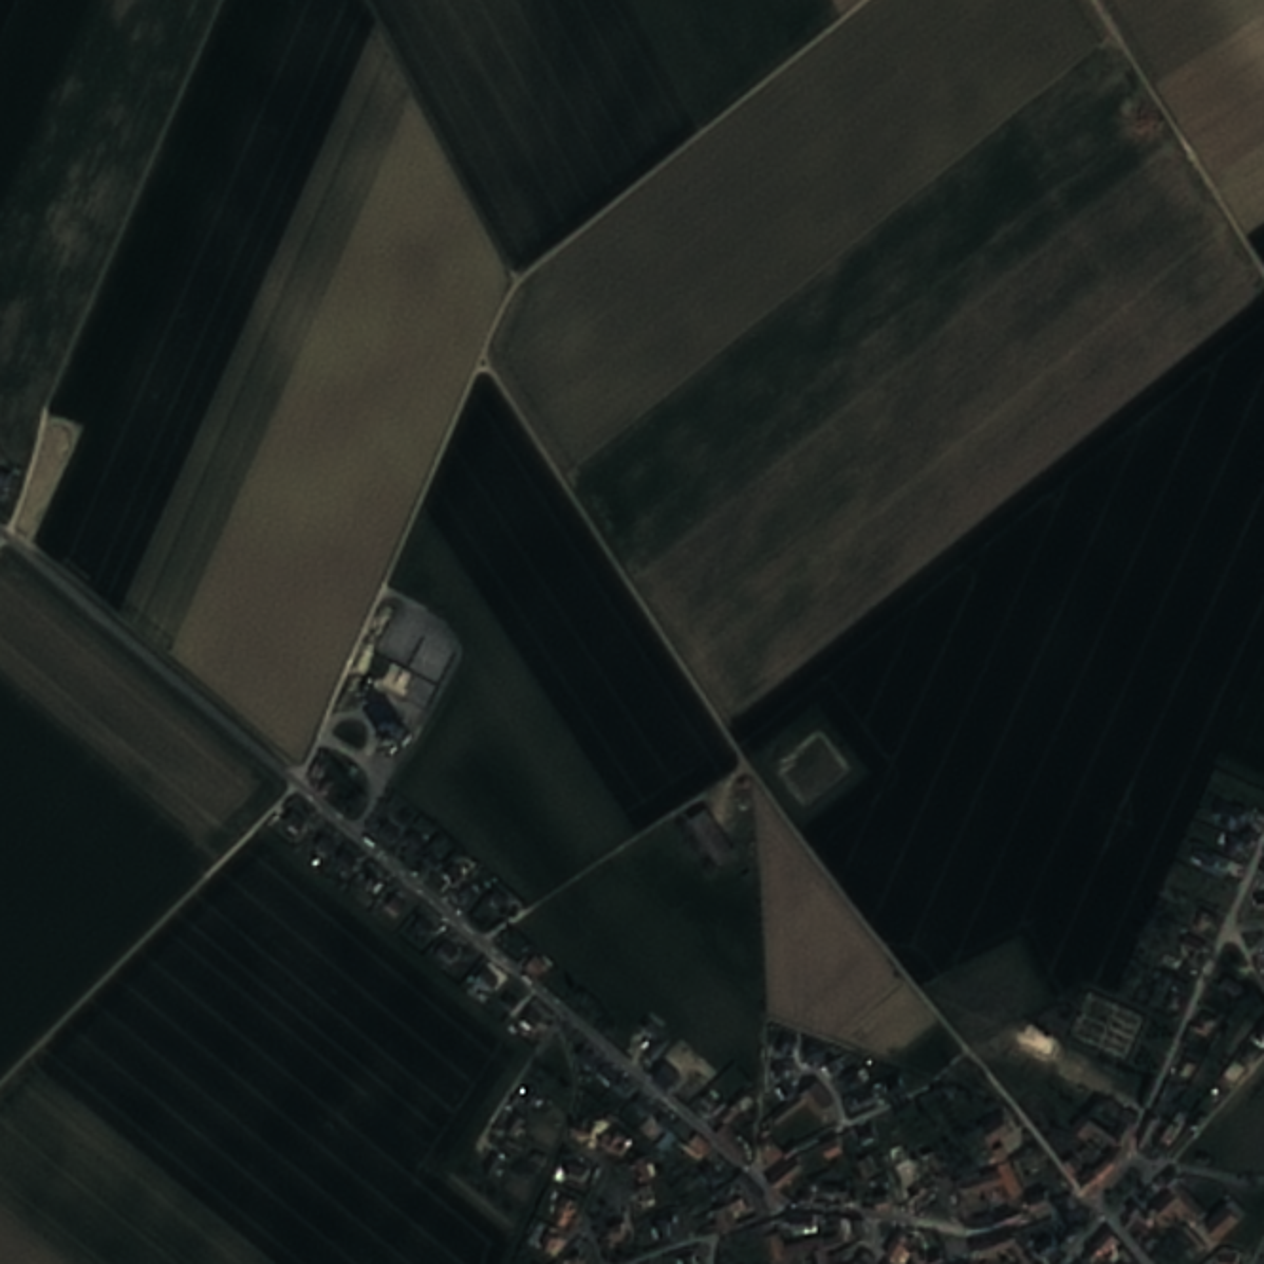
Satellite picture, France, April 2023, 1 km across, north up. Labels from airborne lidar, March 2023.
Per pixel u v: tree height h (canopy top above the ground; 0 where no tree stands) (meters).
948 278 0
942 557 0
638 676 0
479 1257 0
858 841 0
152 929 0
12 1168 0
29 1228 0
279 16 0
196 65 0
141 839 0
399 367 0
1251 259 0
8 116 0
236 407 0
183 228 0
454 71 0
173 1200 0
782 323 0
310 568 0
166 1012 0
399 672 0
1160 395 0
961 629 0
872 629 0
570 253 0
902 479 0
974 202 0
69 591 0
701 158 0
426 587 0
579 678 0
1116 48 0
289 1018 0
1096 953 0
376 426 0
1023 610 0
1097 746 0
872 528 0
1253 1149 0
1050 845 0
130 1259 0
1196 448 0
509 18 0
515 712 0
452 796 0
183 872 0
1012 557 0
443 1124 0
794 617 0
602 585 0
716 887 0
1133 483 0
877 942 0
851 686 0
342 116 0
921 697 0
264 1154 0
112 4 0
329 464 0
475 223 0
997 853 0
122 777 0
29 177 0
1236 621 0
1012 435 0
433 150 0
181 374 0
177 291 0
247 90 0
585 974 0
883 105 0
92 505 0
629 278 0
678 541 0
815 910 0
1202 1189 0
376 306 0
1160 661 0
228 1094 0
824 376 0
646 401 0
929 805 0
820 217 0
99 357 0
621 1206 0
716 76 0
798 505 0
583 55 0
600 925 0
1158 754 0
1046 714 0
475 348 0
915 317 0
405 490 0
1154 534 0
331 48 0
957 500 0
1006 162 0
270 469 0
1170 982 11
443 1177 0
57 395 0
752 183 0
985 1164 0
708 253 0
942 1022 0
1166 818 0
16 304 0
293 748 0
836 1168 9
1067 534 0
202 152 0
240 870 0
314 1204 0
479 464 0
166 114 0
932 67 0
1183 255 0
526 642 0
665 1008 0
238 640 0
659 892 0
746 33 0
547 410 0
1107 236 0
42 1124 0
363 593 0
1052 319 0
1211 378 0
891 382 0
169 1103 0
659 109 0
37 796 0
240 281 0
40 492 0
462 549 0
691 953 0
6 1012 0
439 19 0
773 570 0
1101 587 0
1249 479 0
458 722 0
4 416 0
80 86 0
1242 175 0
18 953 0
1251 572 0
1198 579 0
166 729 0
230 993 0
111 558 0
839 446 0
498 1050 0
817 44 0
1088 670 0
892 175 0
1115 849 0
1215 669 0
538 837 0
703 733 0
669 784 0
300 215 0
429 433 0
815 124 0
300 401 0
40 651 0
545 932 0
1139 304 0
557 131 0
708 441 0
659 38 0
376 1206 0
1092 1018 0
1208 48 0
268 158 0
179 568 0
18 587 0
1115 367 0
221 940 0
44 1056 0
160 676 0
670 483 0
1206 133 0
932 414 0
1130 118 0
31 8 0
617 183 0
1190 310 0
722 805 0
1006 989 0
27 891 0
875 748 0
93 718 0
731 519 0
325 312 0
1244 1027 0
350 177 0
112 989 0
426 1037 0
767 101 0
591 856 0
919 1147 0
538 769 0
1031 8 0
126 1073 0
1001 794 0
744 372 0
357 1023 0
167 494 0
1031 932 0
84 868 0
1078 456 0
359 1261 0
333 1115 0
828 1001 0
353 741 0
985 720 0
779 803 0
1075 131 0
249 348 0
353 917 0
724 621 0
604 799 0
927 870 0
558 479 0
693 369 0
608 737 0
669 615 0
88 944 0
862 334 0
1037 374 0
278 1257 0
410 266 0
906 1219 0
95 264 0
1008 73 0
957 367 0
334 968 0
